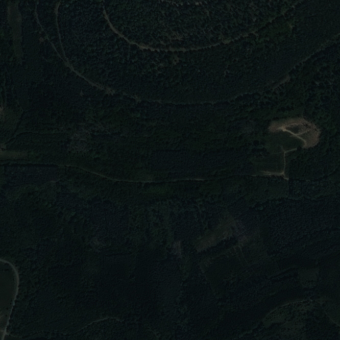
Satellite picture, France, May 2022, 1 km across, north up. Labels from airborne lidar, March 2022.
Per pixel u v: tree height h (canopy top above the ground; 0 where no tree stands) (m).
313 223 21
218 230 0
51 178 30
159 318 13
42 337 0
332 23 16
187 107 24
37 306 16
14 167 30
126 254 17
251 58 14
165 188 22
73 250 11
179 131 16
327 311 15
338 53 23
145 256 13
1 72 17
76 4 11
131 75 16
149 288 14
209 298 20
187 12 26
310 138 0
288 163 0
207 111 22
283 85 6
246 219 26
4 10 18
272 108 14
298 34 23
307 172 12
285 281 21
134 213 8
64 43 10
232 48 8
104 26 17
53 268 12
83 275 14
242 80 21
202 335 13
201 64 11
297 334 0
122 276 13
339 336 26
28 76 10
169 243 19
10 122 0
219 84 18
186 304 20
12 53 24
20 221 17
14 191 20
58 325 10
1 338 0
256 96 21
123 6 16
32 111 16
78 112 12
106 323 9
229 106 19
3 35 24
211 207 28
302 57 21
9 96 15
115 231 34
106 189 12
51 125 11
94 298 12
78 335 6
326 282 14
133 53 9
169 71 15
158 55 8
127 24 22
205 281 19
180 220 27
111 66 23
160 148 10
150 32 20
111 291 13
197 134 15
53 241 21
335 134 12
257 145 26
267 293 22
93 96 20
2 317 0
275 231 18
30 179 30
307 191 22
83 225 28
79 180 11
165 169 19
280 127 0
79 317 8
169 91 21
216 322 15
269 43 23
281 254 18
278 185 19
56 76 20
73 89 22
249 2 31
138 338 16
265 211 24
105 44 28
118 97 21
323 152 17
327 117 33
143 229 10
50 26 30
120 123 14
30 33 9
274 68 24
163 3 26
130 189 6
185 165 21
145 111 20
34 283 0
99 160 25
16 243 13
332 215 22
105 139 25
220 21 22
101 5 30
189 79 19
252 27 19
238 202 25
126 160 8
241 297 24
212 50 10
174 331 16
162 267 19
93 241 25
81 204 24
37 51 9
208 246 0
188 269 14
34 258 21
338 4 16
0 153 0
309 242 23
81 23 16
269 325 0
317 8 18
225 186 18
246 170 21
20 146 10
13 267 0
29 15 21
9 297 0
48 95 13
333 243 15
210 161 18
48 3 21
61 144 8
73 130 8
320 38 20
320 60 31
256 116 11
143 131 17
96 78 8
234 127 17
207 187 7
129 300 12
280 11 29
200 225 30
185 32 29
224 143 10
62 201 26
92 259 14
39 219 16
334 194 17
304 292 12
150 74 21
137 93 22
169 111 26
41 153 7
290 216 20
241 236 24
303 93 7
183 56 20
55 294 9
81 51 11
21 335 9
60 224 8
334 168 14
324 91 29
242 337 18
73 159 12
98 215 28
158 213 24
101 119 17
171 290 11
